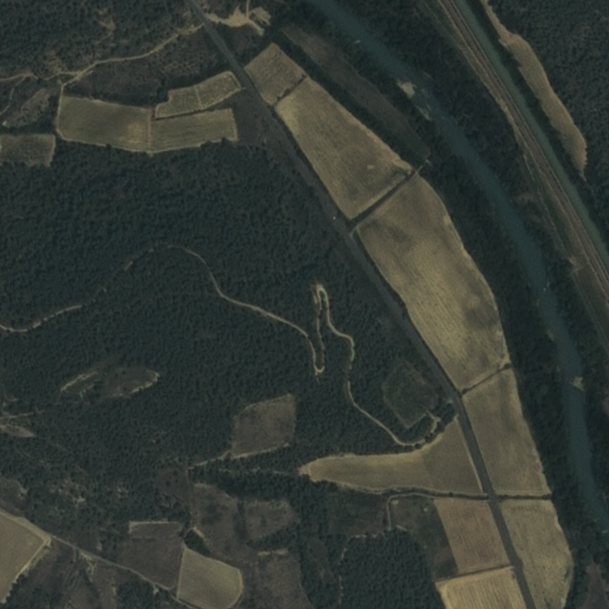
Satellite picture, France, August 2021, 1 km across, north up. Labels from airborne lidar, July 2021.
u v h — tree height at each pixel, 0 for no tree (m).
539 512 0
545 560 0
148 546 0
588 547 9
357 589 8
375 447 13
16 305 11
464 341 0
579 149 0
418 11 10
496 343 0
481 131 19
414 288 0
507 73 0
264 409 0
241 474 6
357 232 0
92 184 13
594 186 18
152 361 12
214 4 0
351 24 0
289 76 0
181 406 11
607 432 15
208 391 11
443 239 0
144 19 9
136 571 0
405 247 0
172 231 12
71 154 11
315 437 12
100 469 8
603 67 10
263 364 11
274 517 0
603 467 18
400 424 15
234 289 14
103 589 0
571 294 22
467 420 0
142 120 0
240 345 10
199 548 10
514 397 0
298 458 8
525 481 0
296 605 0
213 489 0
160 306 12
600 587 0
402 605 13
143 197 7
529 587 0
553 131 13
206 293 14
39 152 0
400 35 22
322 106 0
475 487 0
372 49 0
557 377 18
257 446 0
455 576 0
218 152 11
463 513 0
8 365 8
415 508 0
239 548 0
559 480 16
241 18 0
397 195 0
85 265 12
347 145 0
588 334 19
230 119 0
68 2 8
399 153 15
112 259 12
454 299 0
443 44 11
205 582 0
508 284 13
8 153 0
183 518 11
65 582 0
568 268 10
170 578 0
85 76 0
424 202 0
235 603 0
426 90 0
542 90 0
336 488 7
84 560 0
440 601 12
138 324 10
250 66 0
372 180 0
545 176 0
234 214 12
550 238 7
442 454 0
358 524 0
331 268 13
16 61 9
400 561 13
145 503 7
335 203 0
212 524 0
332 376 16
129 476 9
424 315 0
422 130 11
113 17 8
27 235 13
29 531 0
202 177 8
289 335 15
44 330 14
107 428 8
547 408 15
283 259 9
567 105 13
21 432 0
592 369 15
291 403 0
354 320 13
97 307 12
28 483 10
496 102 6
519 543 0
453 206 7
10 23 9
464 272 0
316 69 9
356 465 0
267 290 12
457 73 16
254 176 12
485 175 0
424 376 6
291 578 0
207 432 9
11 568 0
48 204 12
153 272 12
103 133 0
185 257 15
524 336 14
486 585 0
